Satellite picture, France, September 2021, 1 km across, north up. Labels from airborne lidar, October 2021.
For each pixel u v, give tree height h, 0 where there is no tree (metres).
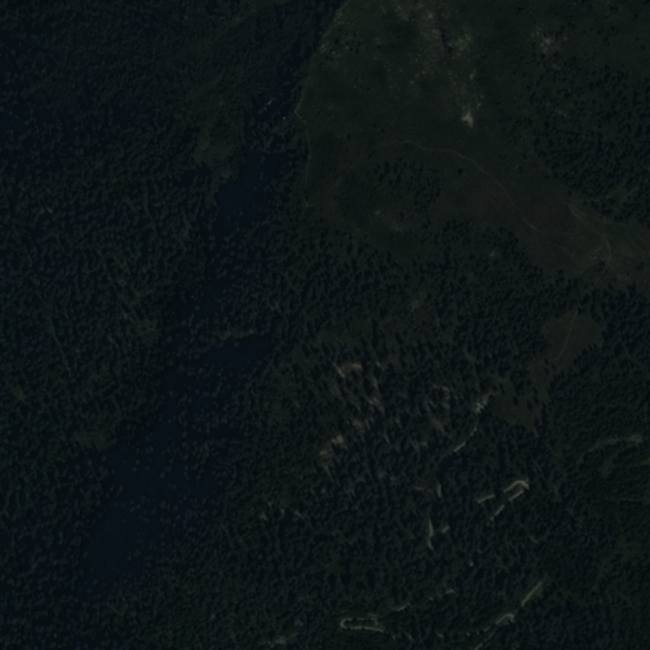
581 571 18
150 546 22
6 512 9
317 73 0
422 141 0
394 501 25
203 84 0
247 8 9
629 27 0
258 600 21
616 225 0
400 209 0
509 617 0
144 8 8
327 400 8
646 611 14
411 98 0
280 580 29
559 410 9
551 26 0
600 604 8
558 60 7
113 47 6
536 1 0
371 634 7
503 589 27
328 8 8
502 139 0
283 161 6
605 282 0
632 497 14
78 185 10
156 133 24
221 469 21
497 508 7
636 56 0
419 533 23
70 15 8
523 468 9
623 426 13
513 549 9
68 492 14
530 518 27
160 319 8
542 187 0
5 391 25
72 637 19
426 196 11
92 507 10
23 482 8
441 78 0
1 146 10
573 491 9
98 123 9
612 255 0
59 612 18
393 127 0
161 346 13
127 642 18
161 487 13
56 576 22
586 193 8
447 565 22
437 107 0
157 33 9
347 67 0
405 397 0
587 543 31
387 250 0
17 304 11
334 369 19
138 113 8
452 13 0
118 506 21
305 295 17
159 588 19
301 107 0
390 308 8
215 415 20
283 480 13
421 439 26
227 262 30
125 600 22
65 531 15
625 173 13
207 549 10
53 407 8
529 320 11
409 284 10
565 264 0
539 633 7
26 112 27
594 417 11
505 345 16
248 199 7
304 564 11
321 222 8
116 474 10
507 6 0
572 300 9
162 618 17
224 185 0
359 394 21
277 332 14
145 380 12
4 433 9
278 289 18
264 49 9
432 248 0
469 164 0
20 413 8
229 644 9
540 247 0
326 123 0
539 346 16
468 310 8
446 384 7
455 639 13
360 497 25
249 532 5
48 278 6
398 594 30
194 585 16
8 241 10
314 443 25
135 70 7
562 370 0
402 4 0
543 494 7
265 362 22
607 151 10
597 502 13
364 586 8
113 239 10
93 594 7
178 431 9
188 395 8
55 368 31
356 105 0
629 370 19
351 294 23
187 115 11
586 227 0
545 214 0
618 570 9
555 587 15
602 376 10
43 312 33
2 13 7
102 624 16
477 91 0
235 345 28
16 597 30
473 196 0
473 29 0
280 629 8
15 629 14
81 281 27
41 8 18
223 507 18
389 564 25
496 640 11
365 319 21
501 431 25
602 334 0
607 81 16
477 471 27
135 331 31
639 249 0
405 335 6
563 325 0
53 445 26
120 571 10
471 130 0
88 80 7
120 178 13
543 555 13
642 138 18
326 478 21
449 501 25
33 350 24
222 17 14
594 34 0
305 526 25
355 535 30
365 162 0
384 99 0
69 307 11
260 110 19
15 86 12
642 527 12
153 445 7
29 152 29
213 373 17
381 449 26
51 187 10
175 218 25
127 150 19
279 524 11
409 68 0
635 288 9
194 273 7
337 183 0
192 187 27
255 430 19
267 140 15
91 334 30
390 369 13
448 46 11
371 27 0
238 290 25
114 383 8
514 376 20
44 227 28
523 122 7
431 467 17
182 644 22
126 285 6
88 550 13
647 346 23
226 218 28
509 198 0
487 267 9
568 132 7
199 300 9
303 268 24
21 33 8
